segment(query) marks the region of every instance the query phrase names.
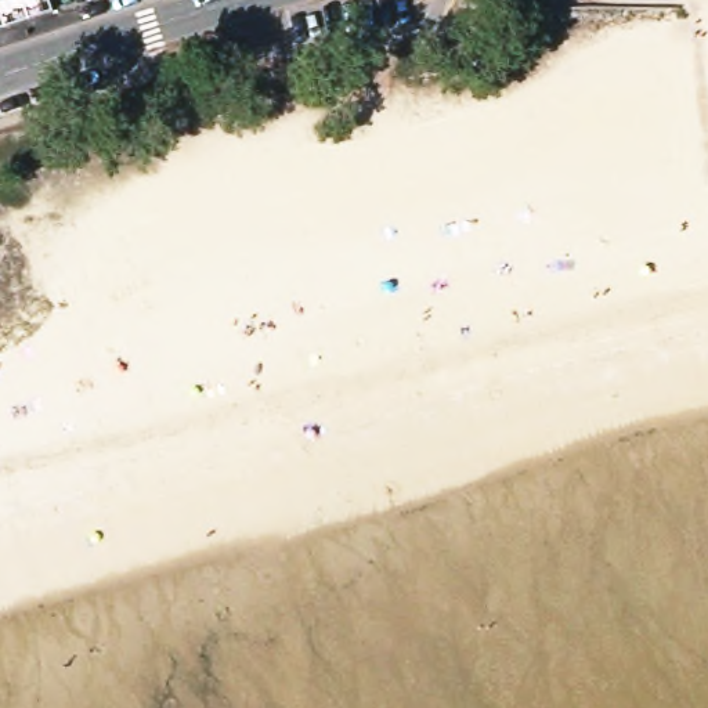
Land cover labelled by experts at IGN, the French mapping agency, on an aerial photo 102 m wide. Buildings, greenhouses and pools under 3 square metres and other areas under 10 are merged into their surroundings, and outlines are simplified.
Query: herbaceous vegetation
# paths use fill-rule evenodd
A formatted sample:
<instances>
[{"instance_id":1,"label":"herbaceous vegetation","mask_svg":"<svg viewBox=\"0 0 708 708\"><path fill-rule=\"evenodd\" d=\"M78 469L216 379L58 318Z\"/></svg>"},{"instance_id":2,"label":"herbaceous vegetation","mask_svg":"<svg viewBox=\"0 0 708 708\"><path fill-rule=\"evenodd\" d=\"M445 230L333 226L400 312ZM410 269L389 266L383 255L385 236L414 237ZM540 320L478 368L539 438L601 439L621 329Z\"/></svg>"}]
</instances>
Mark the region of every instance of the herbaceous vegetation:
<instances>
[{"instance_id":1,"label":"herbaceous vegetation","mask_svg":"<svg viewBox=\"0 0 708 708\"><path fill-rule=\"evenodd\" d=\"M30 180L39 169L33 152L19 152L19 141L0 141L0 213L6 207L22 207L30 202Z\"/></svg>"}]
</instances>

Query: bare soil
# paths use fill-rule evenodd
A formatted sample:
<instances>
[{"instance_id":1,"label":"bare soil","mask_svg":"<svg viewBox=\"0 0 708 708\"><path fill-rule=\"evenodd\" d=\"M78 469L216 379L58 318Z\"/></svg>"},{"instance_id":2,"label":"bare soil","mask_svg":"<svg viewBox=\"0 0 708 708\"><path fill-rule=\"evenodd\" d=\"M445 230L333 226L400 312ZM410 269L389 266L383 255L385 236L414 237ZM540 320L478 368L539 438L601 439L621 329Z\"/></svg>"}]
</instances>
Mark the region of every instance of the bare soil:
<instances>
[{"instance_id":1,"label":"bare soil","mask_svg":"<svg viewBox=\"0 0 708 708\"><path fill-rule=\"evenodd\" d=\"M708 708L708 0L578 0L578 6L572 8L575 28L561 41L561 47L542 55L537 69L525 80L512 83L490 100L476 100L467 91L443 94L440 86L409 89L395 77L398 58L390 55L387 69L376 75L382 108L371 116L368 124L357 127L346 141L321 141L315 127L318 122L324 122L324 111L293 105L293 111L266 122L260 130L243 130L232 136L207 127L196 136L183 136L166 158L155 158L149 163L149 174L111 177L100 155L91 158L83 169L39 169L30 180L30 202L22 207L6 207L0 213L0 708Z\"/></svg>"}]
</instances>

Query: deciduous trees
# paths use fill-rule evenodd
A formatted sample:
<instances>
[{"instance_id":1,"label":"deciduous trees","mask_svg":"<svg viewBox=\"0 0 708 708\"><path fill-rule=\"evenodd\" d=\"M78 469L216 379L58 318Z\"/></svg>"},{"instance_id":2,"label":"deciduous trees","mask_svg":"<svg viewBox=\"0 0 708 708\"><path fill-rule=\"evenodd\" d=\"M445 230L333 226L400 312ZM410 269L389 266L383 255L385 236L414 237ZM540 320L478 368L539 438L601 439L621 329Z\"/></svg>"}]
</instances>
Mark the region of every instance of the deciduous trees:
<instances>
[{"instance_id":1,"label":"deciduous trees","mask_svg":"<svg viewBox=\"0 0 708 708\"><path fill-rule=\"evenodd\" d=\"M318 122L315 127L321 141L346 141L357 127L368 124L371 116L382 108L376 75L387 69L390 55L398 58L395 77L409 89L440 86L443 94L467 91L476 100L490 100L512 83L525 80L537 69L542 55L561 47L561 41L575 28L572 8L578 6L578 0L467 0L465 11L445 14L440 19L431 19L423 11L418 11L407 19L407 11L395 8L398 0L324 0L324 11L315 11L315 22L321 30L315 44L307 44L304 14L293 14L293 25L282 28L282 19L263 8L224 11L213 33L191 36L183 41L177 53L158 55L144 53L144 39L138 30L100 28L94 33L86 33L77 39L77 47L69 58L53 64L47 77L36 89L25 91L28 105L19 108L22 122L0 130L0 141L19 141L19 152L33 152L39 169L83 169L91 158L100 155L111 177L149 174L149 163L155 158L166 158L183 136L196 136L207 127L232 136L243 130L260 130L266 122L293 111L293 105L324 111L324 122Z\"/></svg>"}]
</instances>

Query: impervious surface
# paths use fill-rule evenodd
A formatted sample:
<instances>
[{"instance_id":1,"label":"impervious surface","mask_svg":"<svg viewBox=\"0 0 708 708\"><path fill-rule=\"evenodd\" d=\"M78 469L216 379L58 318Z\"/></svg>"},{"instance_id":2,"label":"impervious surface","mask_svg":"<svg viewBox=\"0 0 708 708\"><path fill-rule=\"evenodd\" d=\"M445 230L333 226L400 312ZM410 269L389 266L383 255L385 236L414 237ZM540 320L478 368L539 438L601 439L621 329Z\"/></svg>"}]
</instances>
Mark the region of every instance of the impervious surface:
<instances>
[{"instance_id":1,"label":"impervious surface","mask_svg":"<svg viewBox=\"0 0 708 708\"><path fill-rule=\"evenodd\" d=\"M398 0L395 8L407 11L407 19L418 11L423 11L431 19L440 19L445 14L465 11L467 0Z\"/></svg>"},{"instance_id":2,"label":"impervious surface","mask_svg":"<svg viewBox=\"0 0 708 708\"><path fill-rule=\"evenodd\" d=\"M324 0L0 0L0 130L22 122L19 108L28 105L25 91L36 89L47 77L53 64L69 58L77 47L77 39L86 33L94 33L100 28L138 30L144 39L144 53L158 55L177 53L183 41L191 36L213 33L224 11L263 8L282 19L282 28L293 25L293 14L304 14L307 44L315 44L321 30L315 22L315 11L324 11Z\"/></svg>"}]
</instances>

